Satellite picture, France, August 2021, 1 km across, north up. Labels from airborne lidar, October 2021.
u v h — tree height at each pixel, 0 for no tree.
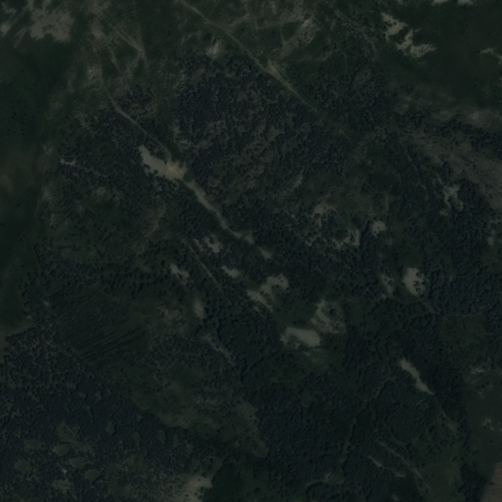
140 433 15
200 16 0
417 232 8
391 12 0
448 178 9
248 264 10
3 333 0
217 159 14
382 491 27
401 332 7
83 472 10
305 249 18
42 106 0
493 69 0
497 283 17
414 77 0
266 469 6
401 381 12
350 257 9
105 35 0
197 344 7
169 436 17
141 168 15
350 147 6
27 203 0
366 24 6
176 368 0
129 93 8
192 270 24
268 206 6
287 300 7
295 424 15
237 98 8
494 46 0
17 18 0
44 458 7
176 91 7
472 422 0
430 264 17
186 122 8
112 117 11
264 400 19
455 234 8
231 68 9
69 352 14
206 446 7
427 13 0
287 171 9
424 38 0
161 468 8
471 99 0
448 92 0
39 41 0
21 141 0
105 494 8
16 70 0
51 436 11
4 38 0
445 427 12
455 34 0
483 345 8
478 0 0
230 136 12
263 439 11
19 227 0
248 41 0
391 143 11
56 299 6
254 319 15
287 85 0
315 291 12
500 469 0
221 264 15
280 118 14
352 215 8
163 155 13
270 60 0
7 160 0
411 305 7
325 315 0
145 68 0
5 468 14
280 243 16
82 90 0
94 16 0
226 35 0
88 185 9
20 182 0
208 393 6
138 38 0
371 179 8
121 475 9
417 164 7
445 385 6
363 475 31
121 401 14
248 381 30
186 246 8
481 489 13
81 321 6
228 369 7
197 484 0
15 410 9
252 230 13
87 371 13
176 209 8
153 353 6
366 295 7
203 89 13
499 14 0
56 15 0
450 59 0
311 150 17
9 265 0
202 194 0
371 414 12
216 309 25
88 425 16
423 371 14
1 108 0
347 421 14
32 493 6
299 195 12
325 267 14
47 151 0
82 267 7
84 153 8
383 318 9
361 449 25
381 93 6
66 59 0
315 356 0
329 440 15
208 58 10
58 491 7
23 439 12
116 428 12
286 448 31
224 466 8
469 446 9
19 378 14
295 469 30
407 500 13
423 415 13
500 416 0
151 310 0
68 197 9
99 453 7
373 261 22
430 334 12
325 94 15
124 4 0
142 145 8
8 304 0
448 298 18
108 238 10
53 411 16
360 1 0
